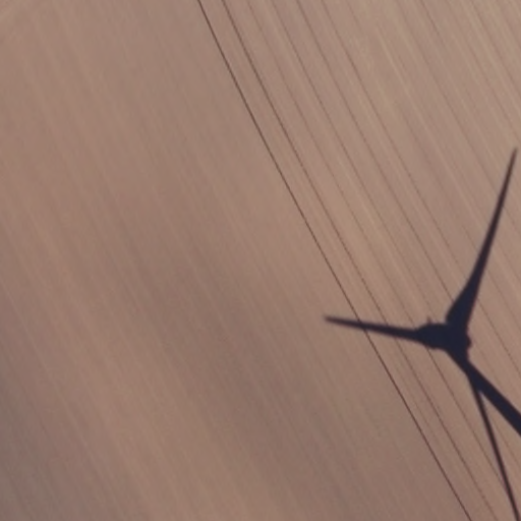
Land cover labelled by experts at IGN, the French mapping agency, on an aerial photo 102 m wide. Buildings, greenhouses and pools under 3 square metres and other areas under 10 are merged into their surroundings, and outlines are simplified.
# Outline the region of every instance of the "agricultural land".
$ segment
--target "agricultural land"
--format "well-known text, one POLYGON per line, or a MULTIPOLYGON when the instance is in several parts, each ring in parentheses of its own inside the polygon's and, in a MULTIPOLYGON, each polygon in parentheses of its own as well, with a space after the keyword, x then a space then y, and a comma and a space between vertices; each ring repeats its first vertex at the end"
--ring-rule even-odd
POLYGON ((0 0, 0 521, 521 521, 521 0, 0 0))

